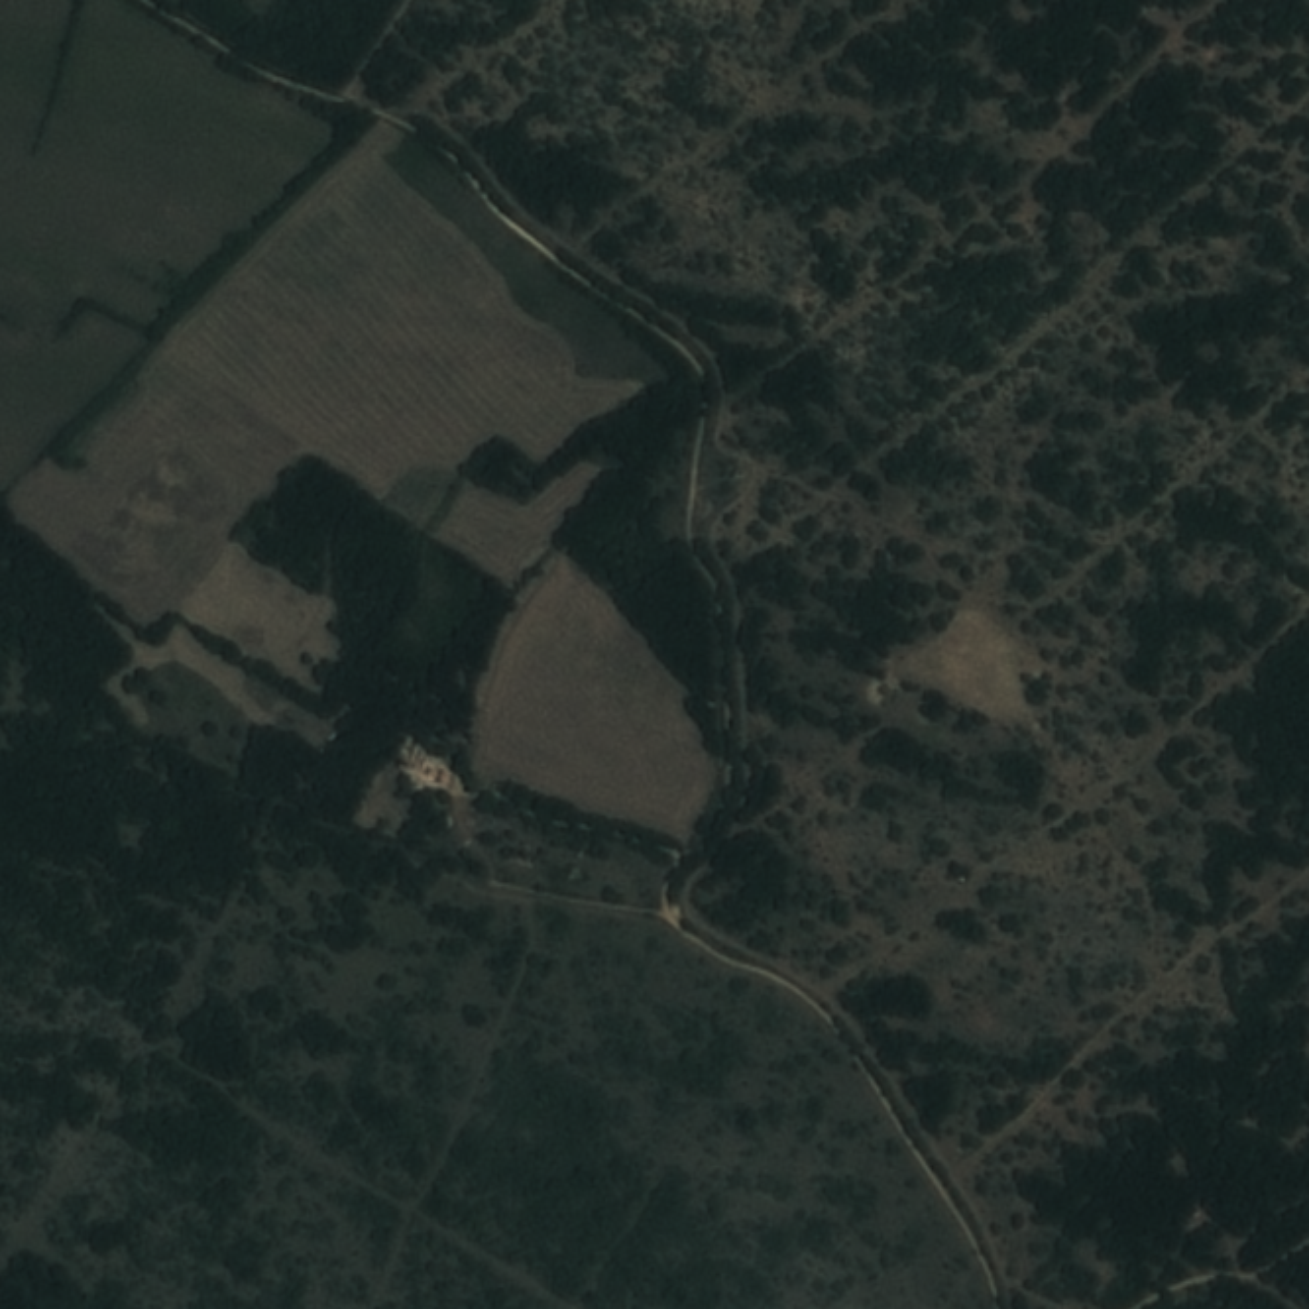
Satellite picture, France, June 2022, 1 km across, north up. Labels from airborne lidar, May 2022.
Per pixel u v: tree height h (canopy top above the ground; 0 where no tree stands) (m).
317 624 0
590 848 6
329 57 7
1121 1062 7
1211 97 7
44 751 8
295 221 0
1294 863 9
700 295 6
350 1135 10
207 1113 7
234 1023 8
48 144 0
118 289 0
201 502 0
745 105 0
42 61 0
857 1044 10
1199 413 8
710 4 0
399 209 0
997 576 0
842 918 8
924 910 0
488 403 0
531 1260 7
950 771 6
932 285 7
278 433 0
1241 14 7
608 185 8
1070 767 0
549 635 0
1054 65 13
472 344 0
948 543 0
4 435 0
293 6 9
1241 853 9
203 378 0
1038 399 7
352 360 0
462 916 6
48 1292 9
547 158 10
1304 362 6
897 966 0
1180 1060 10
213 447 0
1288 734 8
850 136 7
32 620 12
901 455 8
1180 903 9
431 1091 7
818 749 0
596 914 0
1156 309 11
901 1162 0
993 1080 10
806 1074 0
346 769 12
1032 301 7
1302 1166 11
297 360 0
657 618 9
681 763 0
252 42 11
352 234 0
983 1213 0
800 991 0
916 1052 12
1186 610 10
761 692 8
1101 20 8
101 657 13
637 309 9
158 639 11
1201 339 7
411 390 0
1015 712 0
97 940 6
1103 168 9
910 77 11
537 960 8
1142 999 0
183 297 7
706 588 7
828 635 8
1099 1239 6
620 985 0
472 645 7
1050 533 9
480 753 0
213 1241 5
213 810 13
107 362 0
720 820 11
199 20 6
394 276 0
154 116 0
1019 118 6
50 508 0
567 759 0
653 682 0
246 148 0
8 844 10
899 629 11
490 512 0
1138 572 0
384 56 7
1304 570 9
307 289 0
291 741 14
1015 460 0
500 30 7
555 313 0
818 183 7
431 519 0
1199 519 10
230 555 0
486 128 6
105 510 0
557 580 0
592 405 0
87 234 0
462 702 14
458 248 0
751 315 7
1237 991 6
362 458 0
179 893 12
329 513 7
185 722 0
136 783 12
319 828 7
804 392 5
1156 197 6
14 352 0
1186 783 6
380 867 11
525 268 0
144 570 0
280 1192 5
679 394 8
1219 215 10
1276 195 8
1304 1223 14
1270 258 7
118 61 0
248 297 0
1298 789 7
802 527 7
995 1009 0
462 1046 0
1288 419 8
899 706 0
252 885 8
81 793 13
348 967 0
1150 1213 11
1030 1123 0
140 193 0
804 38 6
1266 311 9
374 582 6
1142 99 11
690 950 0
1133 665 10
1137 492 9
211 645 11
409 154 0
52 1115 9
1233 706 9
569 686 0
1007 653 0
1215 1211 12
